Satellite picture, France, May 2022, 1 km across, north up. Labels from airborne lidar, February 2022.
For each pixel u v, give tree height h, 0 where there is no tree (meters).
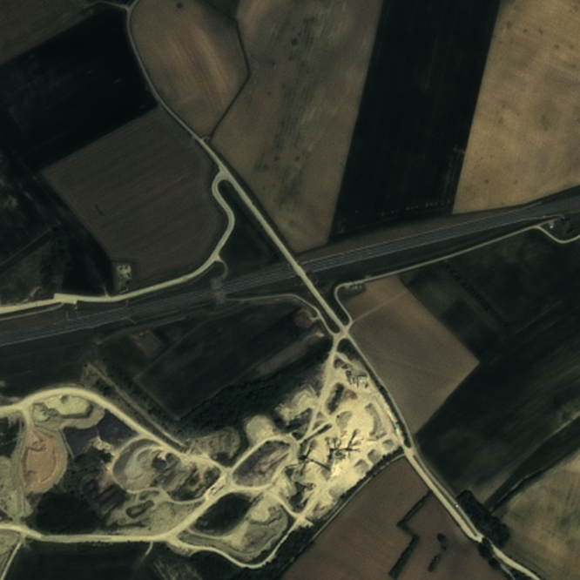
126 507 0
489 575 0
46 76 0
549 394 0
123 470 0
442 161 0
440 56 0
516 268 0
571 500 0
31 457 0
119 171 0
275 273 0
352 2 0
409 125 0
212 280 0
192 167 0
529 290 0
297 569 0
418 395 0
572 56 0
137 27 0
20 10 0
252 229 0
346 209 0
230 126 0
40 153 0
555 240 0
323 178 0
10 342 0
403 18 0
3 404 0
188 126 0
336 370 0
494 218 0
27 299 0
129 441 0
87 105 0
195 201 0
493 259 0
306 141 0
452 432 0
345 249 0
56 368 0
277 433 0
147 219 0
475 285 0
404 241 0
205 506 0
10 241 0
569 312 0
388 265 0
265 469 0
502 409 0
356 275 0
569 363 0
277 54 0
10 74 0
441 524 0
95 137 0
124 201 0
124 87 0
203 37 0
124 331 0
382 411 0
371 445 0
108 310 0
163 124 0
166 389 0
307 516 0
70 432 0
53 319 0
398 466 0
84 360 0
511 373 0
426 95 0
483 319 0
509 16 0
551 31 0
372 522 0
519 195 0
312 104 0
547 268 0
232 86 0
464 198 0
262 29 0
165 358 0
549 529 0
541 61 0
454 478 0
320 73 0
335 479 0
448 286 0
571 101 0
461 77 0
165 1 0
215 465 0
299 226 0
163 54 0
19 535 0
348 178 0
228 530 0
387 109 0
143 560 0
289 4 0
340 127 0
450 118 0
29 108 0
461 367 0
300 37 0
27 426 0
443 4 0
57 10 0
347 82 0
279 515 0
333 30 0
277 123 0
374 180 0
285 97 0
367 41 0
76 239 0
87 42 0
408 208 0
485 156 0
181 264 0
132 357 0
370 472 8
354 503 0
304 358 0
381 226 0
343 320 0
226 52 0
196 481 0
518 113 0
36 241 0
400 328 0
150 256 0
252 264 0
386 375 0
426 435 0
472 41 0
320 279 0
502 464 0
